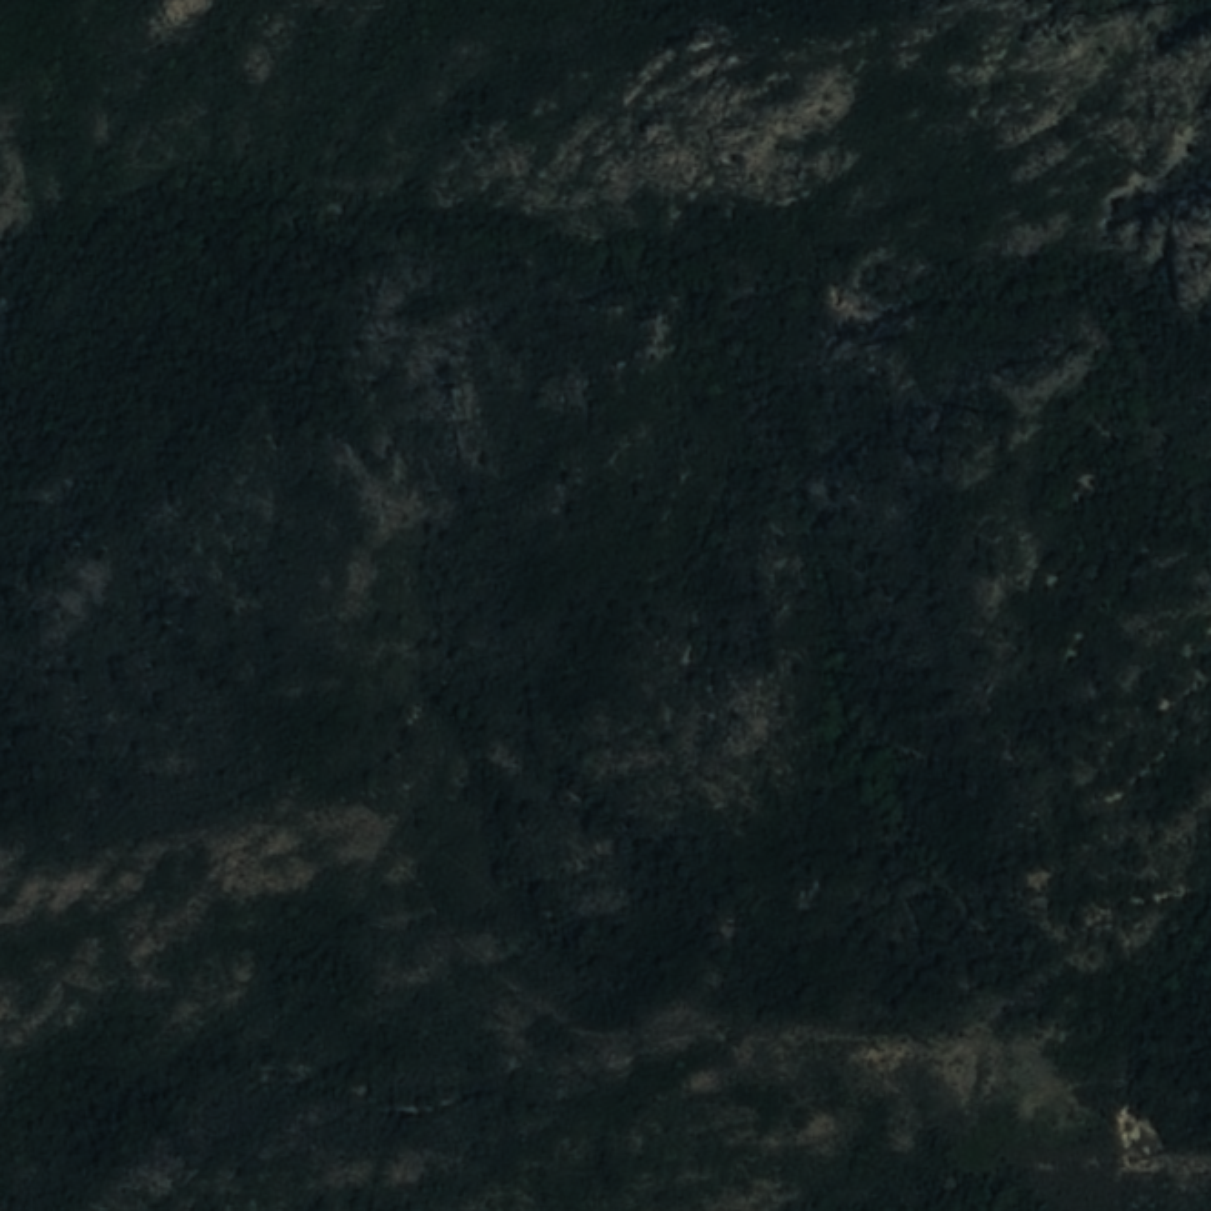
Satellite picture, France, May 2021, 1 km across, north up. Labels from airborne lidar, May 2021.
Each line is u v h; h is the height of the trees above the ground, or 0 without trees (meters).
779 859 11
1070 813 13
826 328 9
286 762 6
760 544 6
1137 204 6
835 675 11
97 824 7
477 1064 7
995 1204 15
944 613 11
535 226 13
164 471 11
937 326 9
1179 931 6
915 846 14
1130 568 11
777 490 11
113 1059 7
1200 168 11
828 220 6
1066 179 6
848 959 8
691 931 9
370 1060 7
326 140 6
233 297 16
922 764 7
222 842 0
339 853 0
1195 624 8
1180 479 14
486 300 6
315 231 15
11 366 14
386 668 6
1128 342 23
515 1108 15
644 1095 8
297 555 6
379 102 8
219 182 18
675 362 8
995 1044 0
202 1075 9
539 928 6
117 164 6
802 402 10
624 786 6
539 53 9
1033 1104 0
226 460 8
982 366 8
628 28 8
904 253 8
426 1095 6
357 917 8
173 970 6
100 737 11
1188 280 9
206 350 10
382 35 9
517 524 6
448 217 18
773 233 7
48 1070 10
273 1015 6
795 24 7
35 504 6
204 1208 6
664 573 6
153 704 7
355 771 6
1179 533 8
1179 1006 13
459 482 7
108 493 8
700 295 21
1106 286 17
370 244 7
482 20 6
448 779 6
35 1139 8
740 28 7
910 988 12
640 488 17
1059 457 11
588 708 9
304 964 15
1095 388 17
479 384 6
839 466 14
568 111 6
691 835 7
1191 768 7
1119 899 9
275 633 12
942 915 11
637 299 10
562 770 12
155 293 14
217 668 6
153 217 16
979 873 8
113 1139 11
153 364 17
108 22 7
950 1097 0
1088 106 7
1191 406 6
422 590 7
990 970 13
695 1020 0
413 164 6
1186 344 13
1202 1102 6
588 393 8
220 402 6
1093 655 8
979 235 8
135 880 0
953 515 9
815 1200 7
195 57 7
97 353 9
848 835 10
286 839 0
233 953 6
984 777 6
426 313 10
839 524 17
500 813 12
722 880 6
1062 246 11
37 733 13
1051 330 7
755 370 15
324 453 5
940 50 7
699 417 6
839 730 10
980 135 7
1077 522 10
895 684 8
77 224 16
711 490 10
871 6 11
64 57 8
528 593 7
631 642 7
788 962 6
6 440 13
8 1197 8
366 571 0
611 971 6
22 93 6
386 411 7
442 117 7
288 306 14
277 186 13
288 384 9
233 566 6
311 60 9
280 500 6
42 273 11
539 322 6
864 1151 13
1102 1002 10
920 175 6
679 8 15
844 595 10
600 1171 10
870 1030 7
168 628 9
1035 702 6
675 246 14
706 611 6
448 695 15
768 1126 6
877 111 8
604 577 6
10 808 8
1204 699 5
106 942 7
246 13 7
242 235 18
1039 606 12
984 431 7
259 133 7
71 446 15
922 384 6
